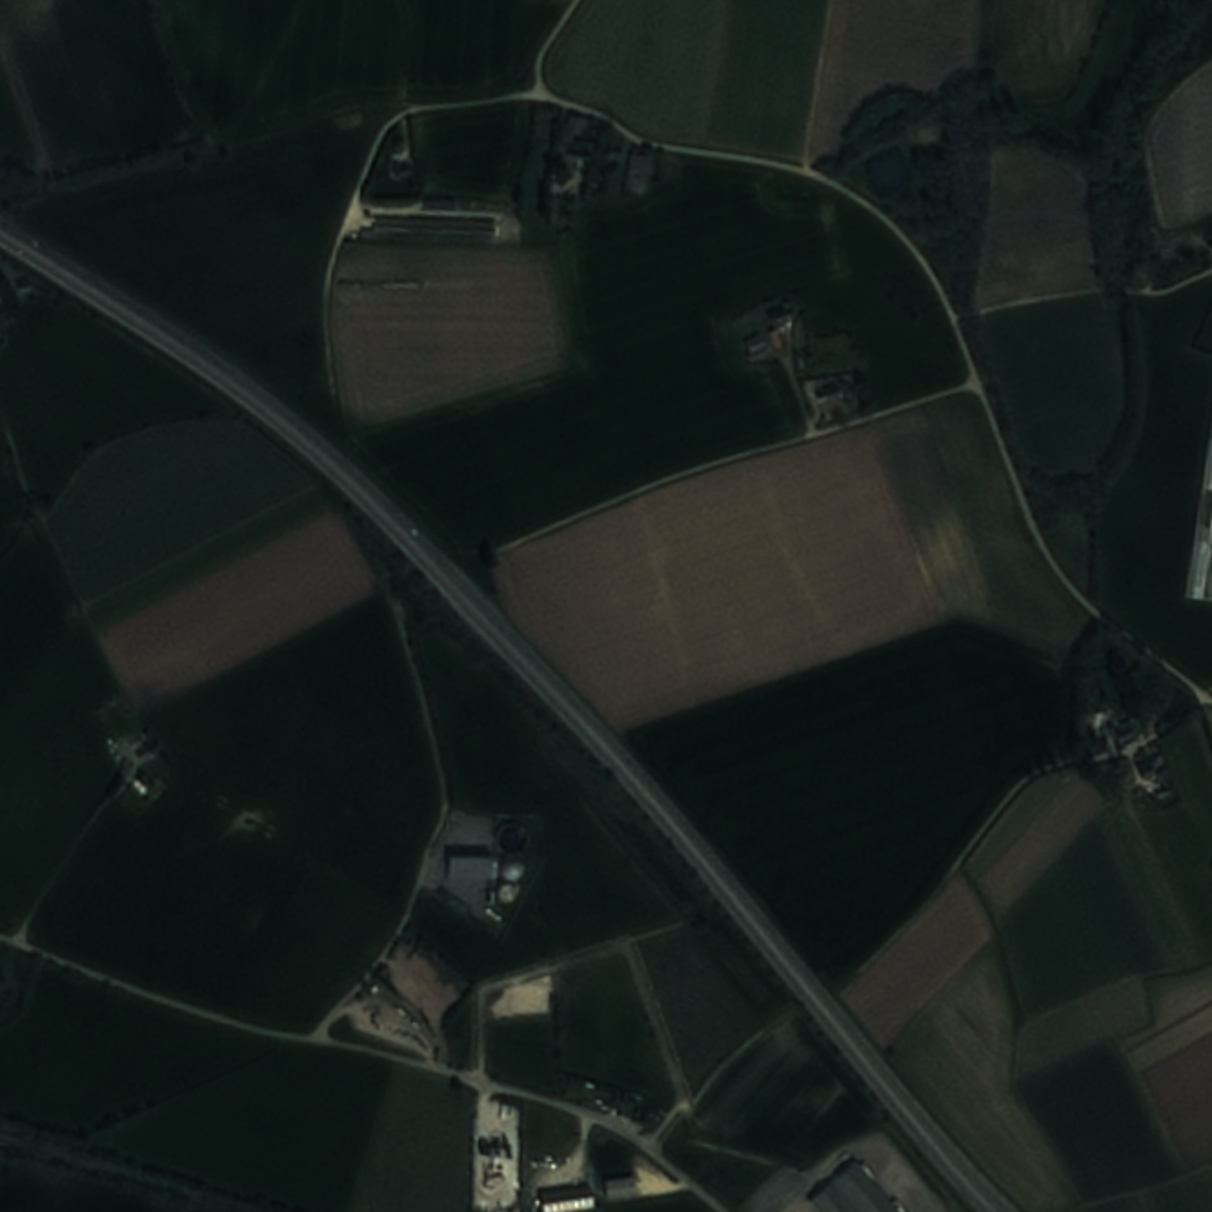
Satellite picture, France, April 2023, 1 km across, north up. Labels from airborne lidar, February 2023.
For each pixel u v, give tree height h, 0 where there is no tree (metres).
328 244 0
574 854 0
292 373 0
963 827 0
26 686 0
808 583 0
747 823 0
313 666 0
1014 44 0
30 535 0
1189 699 5
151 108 0
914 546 0
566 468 0
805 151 0
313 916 0
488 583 0
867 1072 0
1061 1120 0
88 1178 9
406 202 6
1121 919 0
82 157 0
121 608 0
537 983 0
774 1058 0
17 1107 0
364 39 0
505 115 0
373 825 0
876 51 0
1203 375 0
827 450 0
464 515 0
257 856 0
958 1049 0
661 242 0
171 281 0
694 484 0
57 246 0
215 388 0
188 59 0
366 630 0
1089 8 0
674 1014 0
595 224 0
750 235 0
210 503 0
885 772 0
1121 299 9
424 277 0
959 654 0
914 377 0
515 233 0
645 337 0
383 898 0
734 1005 0
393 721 0
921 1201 0
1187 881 0
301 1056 0
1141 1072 0
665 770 0
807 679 0
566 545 0
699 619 0
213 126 0
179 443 0
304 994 0
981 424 0
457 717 0
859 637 0
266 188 0
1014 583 0
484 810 0
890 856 0
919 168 16
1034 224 0
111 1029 0
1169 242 0
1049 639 0
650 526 0
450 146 0
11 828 0
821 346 0
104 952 0
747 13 0
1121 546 0
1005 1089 0
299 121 0
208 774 0
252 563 0
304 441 0
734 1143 0
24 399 0
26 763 0
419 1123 0
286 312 0
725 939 0
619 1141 0
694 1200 0
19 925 0
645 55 0
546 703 0
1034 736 0
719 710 0
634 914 0
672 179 0
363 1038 0
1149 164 0
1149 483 0
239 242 0
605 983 0
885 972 0
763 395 0
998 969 0
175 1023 0
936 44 0
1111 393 0
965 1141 0
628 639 0
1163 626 0
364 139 0
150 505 0
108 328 0
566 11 0
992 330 0
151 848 0
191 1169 0
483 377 0
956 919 0
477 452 0
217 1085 0
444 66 0
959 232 18
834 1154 0
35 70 0
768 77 0
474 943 0
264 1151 0
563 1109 0
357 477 0
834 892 0
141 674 0
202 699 0
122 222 0
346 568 0
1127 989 0
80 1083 0
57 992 0
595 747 0
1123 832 0
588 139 7
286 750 0
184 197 0
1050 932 0
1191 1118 0
